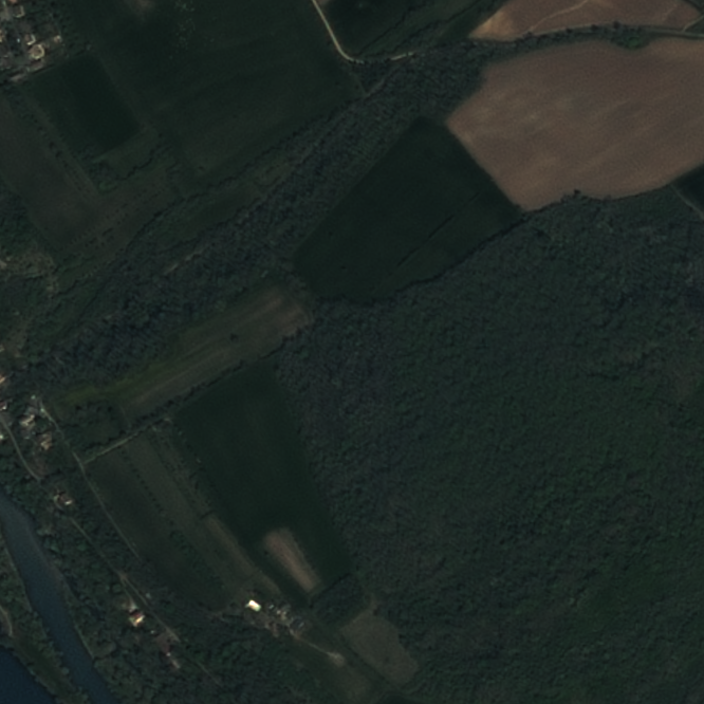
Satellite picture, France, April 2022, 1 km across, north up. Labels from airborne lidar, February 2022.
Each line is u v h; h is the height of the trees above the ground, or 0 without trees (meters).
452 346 22
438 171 0
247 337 0
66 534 25
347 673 0
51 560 0
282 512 0
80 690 8
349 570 0
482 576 12
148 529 0
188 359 0
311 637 0
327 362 18
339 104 0
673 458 32
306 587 0
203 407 0
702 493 27
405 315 20
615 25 0
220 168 0
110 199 0
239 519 0
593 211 17
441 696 16
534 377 27
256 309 0
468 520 24
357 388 15
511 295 23
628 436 24
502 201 0
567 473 19
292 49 0
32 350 17
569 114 0
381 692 0
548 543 11
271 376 0
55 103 0
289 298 0
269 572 0
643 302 22
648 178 0
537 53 12
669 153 0
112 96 0
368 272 0
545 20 0
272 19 0
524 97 0
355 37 0
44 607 0
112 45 0
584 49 0
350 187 15
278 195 14
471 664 16
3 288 13
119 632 16
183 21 0
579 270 12
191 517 0
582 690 6
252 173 9
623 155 0
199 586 0
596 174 0
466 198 0
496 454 25
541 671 11
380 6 0
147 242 9
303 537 0
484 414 26
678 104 0
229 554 0
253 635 13
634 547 16
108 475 0
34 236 8
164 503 0
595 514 14
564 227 14
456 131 0
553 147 0
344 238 0
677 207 6
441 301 21
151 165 7
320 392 16
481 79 19
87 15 0
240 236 23
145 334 27
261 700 15
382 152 20
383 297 0
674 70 0
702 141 0
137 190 0
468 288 21
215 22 0
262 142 0
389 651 0
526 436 18
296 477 0
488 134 0
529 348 25
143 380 0
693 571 13
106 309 9
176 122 0
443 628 24
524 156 0
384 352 16
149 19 0
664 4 0
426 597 19
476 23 0
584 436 22
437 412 22
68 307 15
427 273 0
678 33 0
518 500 18
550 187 0
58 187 0
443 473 24
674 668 17
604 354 22
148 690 15
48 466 7
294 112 0
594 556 28
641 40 12
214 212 0
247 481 0
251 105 0
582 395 26
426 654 18
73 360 30
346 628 0
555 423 24
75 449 13
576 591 14
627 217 7
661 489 28
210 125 0
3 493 0
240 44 0
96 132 0
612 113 0
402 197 0
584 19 0
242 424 0
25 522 0
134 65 0
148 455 0
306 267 0
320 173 14
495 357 26
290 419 0
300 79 0
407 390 21
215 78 0
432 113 22
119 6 0
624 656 20
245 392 0
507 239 16
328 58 0
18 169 0
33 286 12
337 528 9
